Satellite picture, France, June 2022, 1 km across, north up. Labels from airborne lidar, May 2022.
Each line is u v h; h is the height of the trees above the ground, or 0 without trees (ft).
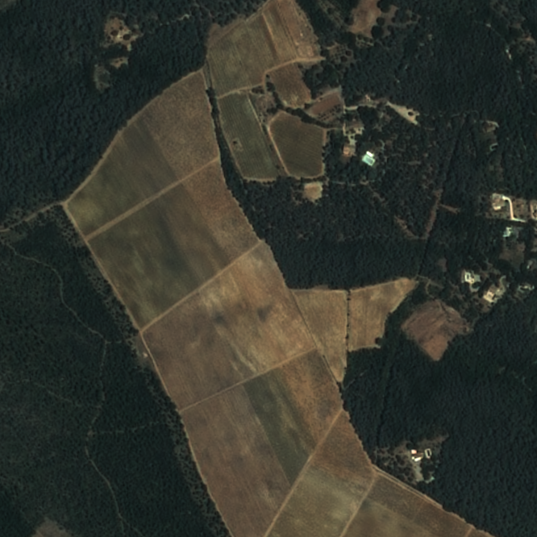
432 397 63
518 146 61
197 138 0
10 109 25
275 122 0
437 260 49
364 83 66
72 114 67
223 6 58
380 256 44
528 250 40
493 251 33
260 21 0
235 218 0
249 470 0
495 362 48
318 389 0
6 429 21
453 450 50
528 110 57
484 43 22
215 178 0
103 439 31
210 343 0
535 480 60
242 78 0
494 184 46
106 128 54
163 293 0
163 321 0
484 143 32
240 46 0
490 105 30
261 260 0
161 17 62
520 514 54
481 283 34
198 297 0
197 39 66
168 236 0
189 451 20
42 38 57
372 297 0
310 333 0
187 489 22
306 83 24
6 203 56
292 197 65
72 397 44
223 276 0
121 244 0
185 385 0
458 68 29
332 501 0
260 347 0
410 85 54
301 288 51
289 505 0
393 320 55
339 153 41
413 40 35
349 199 69
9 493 44
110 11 21
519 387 30
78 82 39
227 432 0
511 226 18
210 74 0
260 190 62
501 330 50
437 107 48
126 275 0
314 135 0
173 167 0
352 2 50
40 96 39
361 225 72
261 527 0
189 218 0
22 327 47
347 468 0
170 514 31
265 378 0
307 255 50
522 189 54
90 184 0
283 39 0
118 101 65
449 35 32
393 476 53
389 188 36
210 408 0
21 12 31
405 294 0
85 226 0
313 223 61
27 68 28
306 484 0
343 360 0
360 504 0
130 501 36
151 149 0
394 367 39
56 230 18
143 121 0
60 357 23
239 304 0
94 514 32
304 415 0
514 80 64
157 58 36
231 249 0
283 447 0
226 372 0
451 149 52
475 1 31
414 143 29
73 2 51
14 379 21
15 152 47
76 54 56
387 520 0
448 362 36
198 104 0
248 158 0
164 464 20
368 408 74
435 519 0
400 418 54
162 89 46
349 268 50
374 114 31
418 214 63
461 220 38
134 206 0
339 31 59
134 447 21
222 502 0
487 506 69
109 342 21
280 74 0
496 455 70
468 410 62
